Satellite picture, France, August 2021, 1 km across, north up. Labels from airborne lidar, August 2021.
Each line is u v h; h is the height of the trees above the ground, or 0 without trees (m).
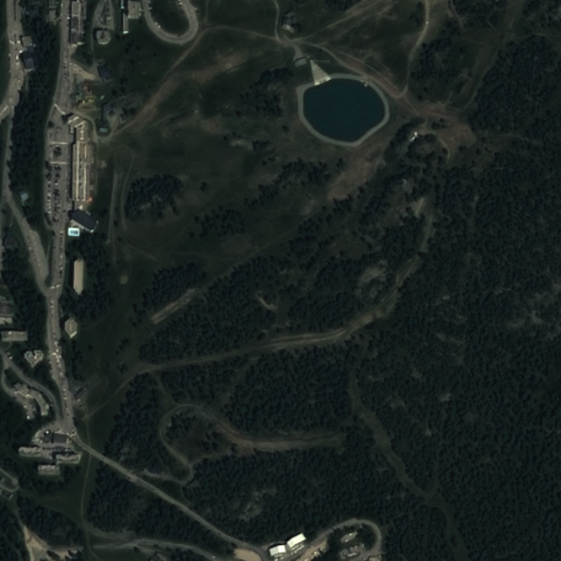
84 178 0
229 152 0
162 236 0
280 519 21
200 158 0
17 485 0
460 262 6
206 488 15
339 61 0
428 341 8
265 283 0
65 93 0
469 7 6
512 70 8
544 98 10
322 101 0
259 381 10
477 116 11
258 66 0
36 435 0
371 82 0
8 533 18
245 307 11
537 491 20
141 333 0
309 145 0
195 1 0
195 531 18
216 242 0
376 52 0
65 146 0
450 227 12
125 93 15
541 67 11
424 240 0
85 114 0
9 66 0
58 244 0
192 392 17
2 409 6
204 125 0
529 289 13
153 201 7
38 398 0
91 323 0
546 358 18
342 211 12
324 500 21
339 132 0
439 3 0
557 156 9
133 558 0
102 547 0
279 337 0
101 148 0
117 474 8
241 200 0
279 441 0
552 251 9
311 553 0
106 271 10
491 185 12
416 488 0
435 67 7
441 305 9
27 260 0
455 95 0
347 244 0
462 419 15
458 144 0
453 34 6
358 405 0
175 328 11
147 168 0
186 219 0
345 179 0
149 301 14
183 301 0
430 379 17
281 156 0
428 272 11
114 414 0
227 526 12
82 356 15
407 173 10
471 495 14
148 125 0
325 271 12
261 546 0
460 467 16
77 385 0
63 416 0
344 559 0
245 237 0
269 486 9
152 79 0
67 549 0
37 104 11
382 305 0
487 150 8
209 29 0
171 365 0
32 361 0
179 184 16
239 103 0
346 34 0
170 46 0
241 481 10
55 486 21
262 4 0
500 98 7
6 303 0
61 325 0
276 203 0
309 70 0
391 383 14
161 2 0
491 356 11
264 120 0
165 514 20
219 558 0
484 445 15
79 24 0
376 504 13
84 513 0
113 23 0
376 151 0
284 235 0
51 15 0
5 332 0
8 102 0
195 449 0
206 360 0
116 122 0
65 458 0
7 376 8
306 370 16
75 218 0
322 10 0
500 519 12
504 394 20
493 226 17
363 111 0
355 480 6
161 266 0
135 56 0
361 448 18
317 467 9
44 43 22
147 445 10
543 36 7
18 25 0
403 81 0
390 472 17
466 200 12
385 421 9
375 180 0
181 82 0
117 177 0
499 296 9
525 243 8
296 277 0
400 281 0
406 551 13
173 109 0
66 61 0
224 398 0
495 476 12
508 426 19
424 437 13
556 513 17
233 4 0
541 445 10
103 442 0
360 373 17
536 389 21
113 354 0
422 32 0
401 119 0
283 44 0
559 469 13
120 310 0
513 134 0
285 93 0
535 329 10
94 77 0
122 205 0
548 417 16
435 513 12
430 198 0
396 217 0
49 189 0
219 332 12
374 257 13
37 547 0
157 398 11
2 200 0
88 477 0
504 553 14
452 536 7
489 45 0
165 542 0
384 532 0
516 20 0
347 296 10
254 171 0
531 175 8
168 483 7
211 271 0
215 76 0
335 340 0
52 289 0
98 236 9
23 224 0
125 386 0
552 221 11
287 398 16
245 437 0
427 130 0
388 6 0
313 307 16
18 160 11
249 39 0
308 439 0
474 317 18
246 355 10
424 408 7
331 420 17
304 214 0
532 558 5
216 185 0
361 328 0
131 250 0
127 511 11
